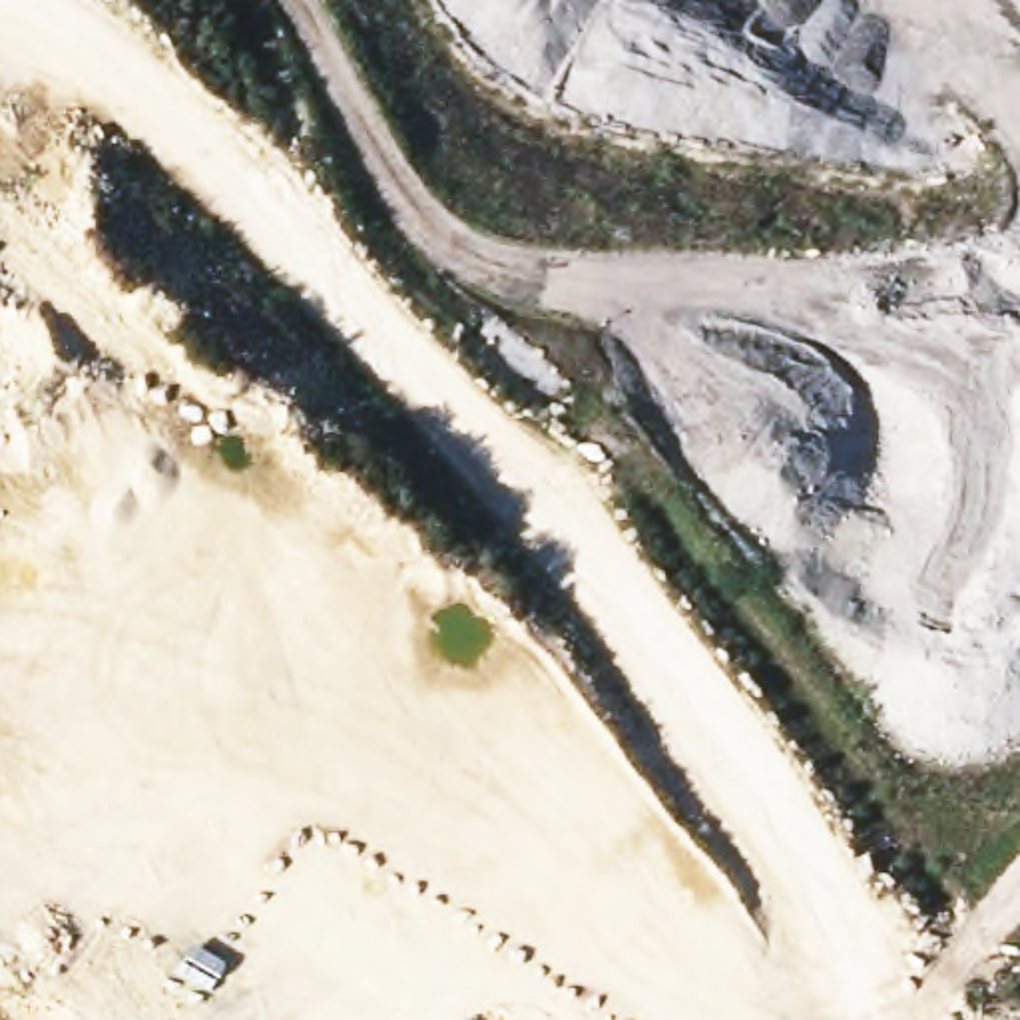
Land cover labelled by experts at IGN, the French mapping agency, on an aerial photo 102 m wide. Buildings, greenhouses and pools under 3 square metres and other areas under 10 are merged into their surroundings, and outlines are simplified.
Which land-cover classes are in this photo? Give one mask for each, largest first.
<instances>
[{"label":"pervious surface","instance_id":"1","mask_svg":"<svg viewBox=\"0 0 1020 1020\"><path fill-rule=\"evenodd\" d=\"M231 12L227 44L255 64L259 88H267L279 76V56L267 48L275 24L283 16L295 20L319 76L327 80L335 108L347 120L351 139L363 151L367 171L379 183V195L390 203L394 223L402 227V239L375 263L363 243L347 239L335 203L319 187L315 171L299 163L311 151L315 135L311 104L295 100L299 128L279 147L263 131V124L243 120L227 100L207 92L179 64L171 36L159 32L147 20V12L131 0H0V1020H1020V857L996 877L980 904H952L944 912L924 916L908 893H896V881L889 873H877L869 857L853 853V825L841 817L833 793L813 781V765L797 757V745L781 733L777 717L761 709V685L749 673H733L729 653L709 645L713 630L689 618L685 598H673L665 590V574L641 558L638 534L622 510L614 506L610 462L630 454V442L610 434V422H590V438L574 442L562 426L574 390L542 359V351L518 339V331L538 307H546L570 311L626 339L645 371L638 383L626 386L630 414L641 422L645 438L657 446V454L677 478L689 482L693 474H701L709 482V490L717 494L709 518L725 526L717 542L729 554H741L745 562L761 566L765 574H777L781 594L817 626V638L833 649V657L853 677L873 685V701L881 705V729L904 749V757L960 769L996 765L1020 753V0H426L434 24L450 32V60L466 68V76L478 88H498V104L510 116L538 120L558 139H606L626 151H653L669 143L693 163H709L721 179H741L745 167H805V175L825 191L896 203L900 219L920 207V195L928 187L944 183L948 171L976 175L980 183L996 187V207L984 235L944 227L932 243L881 239L873 251L813 247L789 259L781 251L614 255L570 247H522L470 227L410 167L402 143L394 139L386 116L367 92L339 36L335 16L327 12V0H223ZM100 139L120 147L128 139L147 143V151L175 175L179 187H187L199 203L227 219L279 279H287L303 291V299L323 307L327 323L386 383L390 394H398L406 406L446 414L454 434L474 438L490 454L498 482L526 498V542L534 546L542 566L566 590H574V602L610 645L614 661L606 669L586 677L574 665L562 638L538 634L534 626L514 618V610L502 602L498 574H486L478 582L454 558H434L422 546L418 530L390 518L383 502L367 494L351 474L323 470L307 446L315 438L335 434V422L303 418L279 390L243 375H215L187 359V351L179 347V303L151 287L124 291L112 279V267L96 243L92 155ZM450 602L470 606L478 618L494 626L490 645L466 669L450 665L430 645L434 618ZM199 944H207V952L223 964L215 980L187 964V956Z\"/></svg>","mask_w":1020,"mask_h":1020},{"label":"herbaceous vegetation","instance_id":"2","mask_svg":"<svg viewBox=\"0 0 1020 1020\"><path fill-rule=\"evenodd\" d=\"M327 12L335 16L339 36L367 92L386 116L394 139L402 143L410 167L470 227L522 247H570L614 255L781 251L789 259L813 247L873 251L881 239L932 243L944 227L984 235L996 207V187L980 183L976 175L948 171L944 183L928 187L920 195V207L900 219L896 203L825 191L805 175V167H745L741 179H721L709 163H693L669 143L653 151H626L606 139H558L538 120L510 116L498 104V88H478L466 76V68L450 60V32L434 24L426 0H327ZM518 339L542 351V359L574 390L562 426L574 442L590 438V422H610V434L630 442V454L610 462L614 506L622 510L634 494H649L665 510L689 558L705 566L709 582L737 606V614L769 645L777 665L793 677L797 693L813 705L821 733L833 741V749H841L853 773L869 781L873 801L896 829V849L920 853L928 877L940 881L952 904H980L996 877L1020 857V753L996 765L960 769L904 757V749L881 729V705L873 701V685L853 677L833 657V649L817 638V626L781 594L777 574H765L761 566L745 562L741 554H729L717 542L725 526L709 518L717 494L709 490V482L701 474H693L689 482L677 478L657 454V446L645 438L641 422L630 414L626 386L638 383L645 371L626 339L570 311L546 307H538L518 331Z\"/></svg>","mask_w":1020,"mask_h":1020},{"label":"brushwood","instance_id":"3","mask_svg":"<svg viewBox=\"0 0 1020 1020\"><path fill-rule=\"evenodd\" d=\"M147 12V20L159 32L171 36L179 64L207 92L227 100L243 120L263 124V131L279 147L299 128L295 100L311 104L315 135L311 151L299 163L315 171L319 187L335 203L347 239L363 243L375 263L402 239V227L394 223L390 203L379 195V183L367 171L363 151L351 139L347 120L335 108L327 80L319 76L295 20L283 16L275 24L267 48L279 56V76L267 88H259L255 64L227 44L231 12L223 0H131ZM96 243L112 267V279L124 291L151 287L179 303V347L187 351V359L215 375H243L279 390L303 418L335 422V434L315 438L307 446L323 470L351 474L367 494L383 502L390 518L418 530L422 546L434 558H454L478 582L486 574H498L502 602L514 610V618L534 626L538 634L562 638L574 665L586 677L606 669L614 661L610 645L574 602V590H566L542 566L534 546L526 542V498L498 482L490 454L474 438L454 434L446 414L406 406L398 394H390L386 383L327 323L323 307L303 299V291L287 279H279L227 219L199 203L187 187H179L175 175L147 151V143L128 139L120 147L100 139L92 155ZM622 510L638 534L641 558L665 574V590L673 598H685L689 618L713 630L709 645L729 653L733 673H749L761 685V709L777 717L781 733L797 745V757L813 765V781L833 793L841 817L853 825V853L869 857L877 873H889L896 881V893H908L924 916L944 912L952 904L940 881L928 877L920 853L896 849V829L873 801L869 781L853 773L841 749H833V741L821 733L813 705L797 693L793 677L777 665L769 645L737 614V606L709 582L705 566L689 558L665 510L649 494H634Z\"/></svg>","mask_w":1020,"mask_h":1020},{"label":"water","instance_id":"4","mask_svg":"<svg viewBox=\"0 0 1020 1020\"><path fill-rule=\"evenodd\" d=\"M494 626L478 618L470 606L450 602L434 618L430 645L450 665L466 669L490 645Z\"/></svg>","mask_w":1020,"mask_h":1020},{"label":"building","instance_id":"5","mask_svg":"<svg viewBox=\"0 0 1020 1020\"><path fill-rule=\"evenodd\" d=\"M187 964L215 980L223 964L207 952V944H199L187 956Z\"/></svg>","mask_w":1020,"mask_h":1020}]
</instances>
